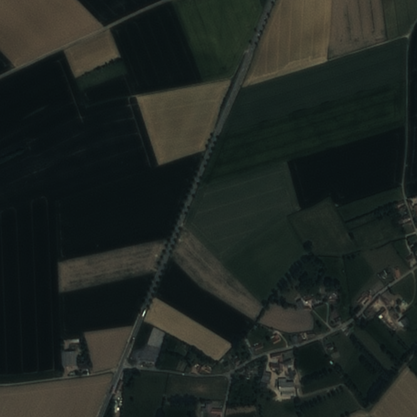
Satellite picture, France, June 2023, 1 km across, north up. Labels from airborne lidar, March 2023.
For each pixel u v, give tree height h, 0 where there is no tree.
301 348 0
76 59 0
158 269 0
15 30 0
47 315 0
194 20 0
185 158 0
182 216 0
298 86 0
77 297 0
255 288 0
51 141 0
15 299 0
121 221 0
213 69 0
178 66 0
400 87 0
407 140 0
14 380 0
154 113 0
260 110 0
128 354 0
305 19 0
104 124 0
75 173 0
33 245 0
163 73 0
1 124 0
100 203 0
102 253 0
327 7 0
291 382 0
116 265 0
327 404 0
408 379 0
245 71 0
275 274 0
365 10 0
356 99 0
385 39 0
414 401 0
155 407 0
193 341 0
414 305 0
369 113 0
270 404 0
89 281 0
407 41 0
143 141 0
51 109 0
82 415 0
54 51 0
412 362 0
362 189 0
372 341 0
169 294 0
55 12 0
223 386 0
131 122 0
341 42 0
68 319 0
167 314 0
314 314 0
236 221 0
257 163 0
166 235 0
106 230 0
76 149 0
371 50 0
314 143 0
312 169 0
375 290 0
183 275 0
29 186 0
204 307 0
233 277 0
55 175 0
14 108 0
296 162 0
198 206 0
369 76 0
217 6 0
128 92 0
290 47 0
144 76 0
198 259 0
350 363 0
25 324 0
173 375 0
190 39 0
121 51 0
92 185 0
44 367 0
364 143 0
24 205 0
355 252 0
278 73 0
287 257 0
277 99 0
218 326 0
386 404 0
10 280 0
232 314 0
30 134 0
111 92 0
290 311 0
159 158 0
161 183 0
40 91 0
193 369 0
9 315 0
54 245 0
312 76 0
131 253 0
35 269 0
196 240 0
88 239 0
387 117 0
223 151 0
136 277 0
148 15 0
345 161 0
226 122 0
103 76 0
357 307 6
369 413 0
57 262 0
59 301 0
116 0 0
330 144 0
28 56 0
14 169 0
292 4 0
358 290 0
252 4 0
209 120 0
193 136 0
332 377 0
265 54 0
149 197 0
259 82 0
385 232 0
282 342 0
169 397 0
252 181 0
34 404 0
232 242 0
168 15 0
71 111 0
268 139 0
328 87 0
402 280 0
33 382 0
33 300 0
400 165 0
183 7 0
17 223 0
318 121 0
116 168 0
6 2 0
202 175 0
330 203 0
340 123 0
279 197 0
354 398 0
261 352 0
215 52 0
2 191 0
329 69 0
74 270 0
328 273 0
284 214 0
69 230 0
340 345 0
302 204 0
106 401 0
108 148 0
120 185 0
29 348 0
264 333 0
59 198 0
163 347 9
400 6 0
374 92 0
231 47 0
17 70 0
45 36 0
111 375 0
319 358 0
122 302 0
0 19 0
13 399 0
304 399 0
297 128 0
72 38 0
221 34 0
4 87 0
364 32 0
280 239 0
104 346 0
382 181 0
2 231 0
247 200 0
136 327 0
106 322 0
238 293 0
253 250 0
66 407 0
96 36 0
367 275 0
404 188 0
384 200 0
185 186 0
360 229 0
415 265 0
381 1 0
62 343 11
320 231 0
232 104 0
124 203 0
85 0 0
